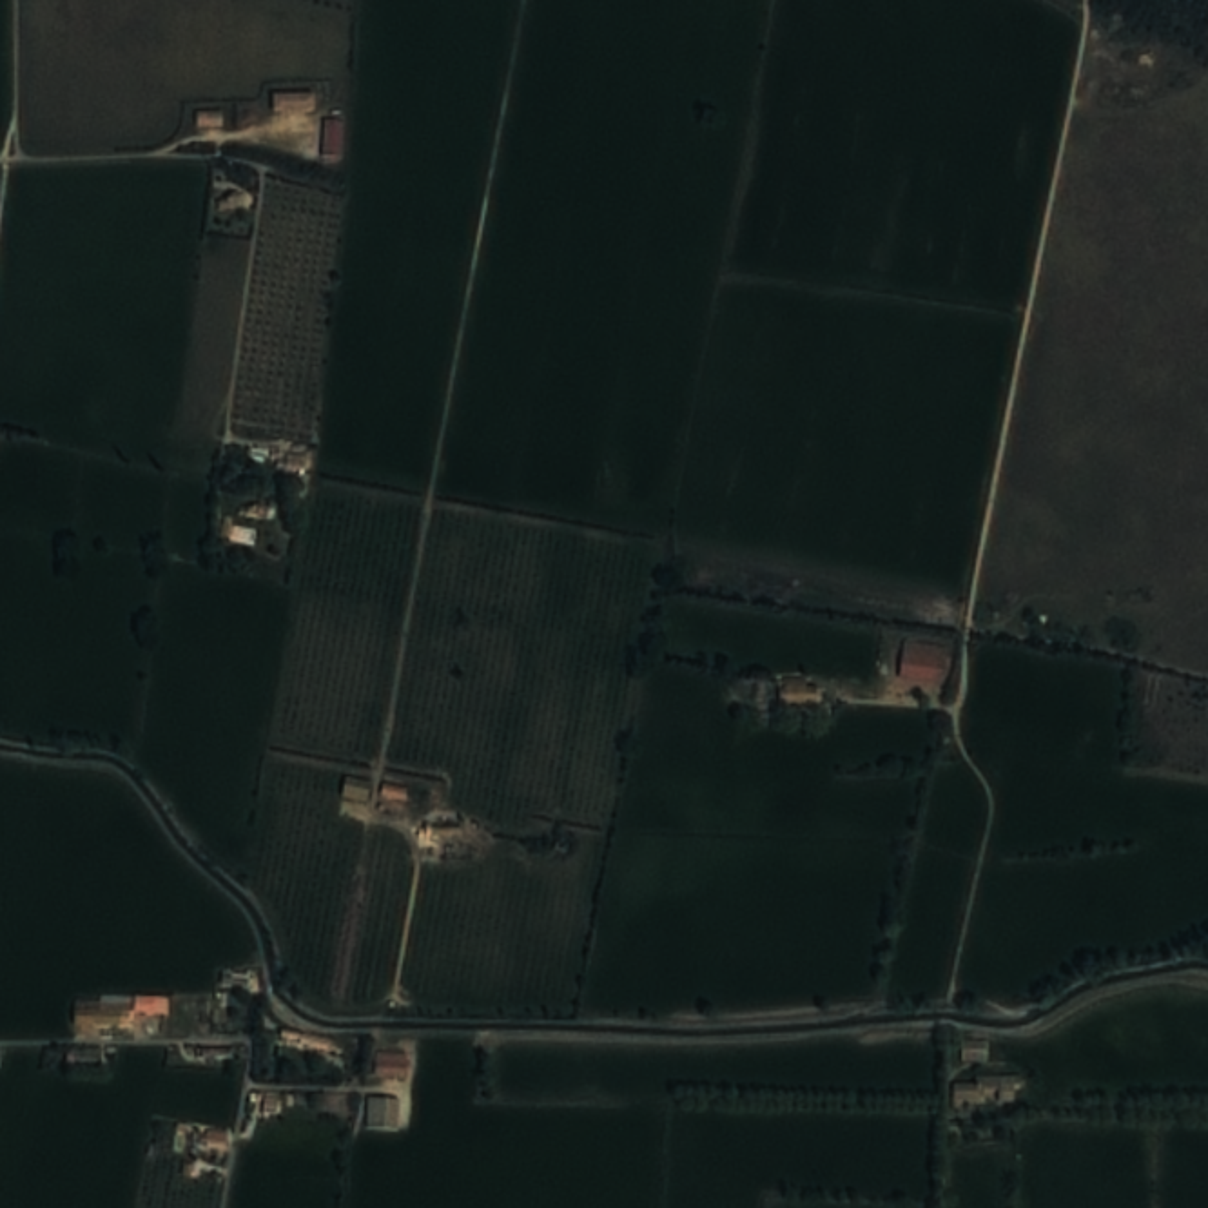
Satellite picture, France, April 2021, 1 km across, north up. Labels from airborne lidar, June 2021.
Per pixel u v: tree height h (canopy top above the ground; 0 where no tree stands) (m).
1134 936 0
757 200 0
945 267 0
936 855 0
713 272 0
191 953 0
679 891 0
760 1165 0
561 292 0
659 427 0
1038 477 0
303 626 0
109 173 0
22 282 0
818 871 0
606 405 0
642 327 0
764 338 0
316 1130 0
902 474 0
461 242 0
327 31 0
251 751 0
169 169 0
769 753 0
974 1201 0
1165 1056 0
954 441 0
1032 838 0
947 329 0
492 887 0
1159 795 0
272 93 0
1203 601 0
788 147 0
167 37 0
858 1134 0
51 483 0
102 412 0
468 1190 0
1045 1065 0
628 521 0
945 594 0
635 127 0
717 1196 0
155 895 0
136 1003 0
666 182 0
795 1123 0
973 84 0
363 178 0
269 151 0
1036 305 0
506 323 0
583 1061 0
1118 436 0
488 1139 0
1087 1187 0
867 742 0
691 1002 0
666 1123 0
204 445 0
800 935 0
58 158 0
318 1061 16
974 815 0
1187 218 0
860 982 0
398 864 0
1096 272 0
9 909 0
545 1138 0
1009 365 0
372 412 0
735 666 12
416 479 0
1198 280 0
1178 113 0
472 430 0
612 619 0
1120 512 0
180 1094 0
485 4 0
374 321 0
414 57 0
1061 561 0
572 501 0
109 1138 0
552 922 0
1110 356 0
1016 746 0
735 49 0
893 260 0
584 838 0
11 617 0
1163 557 0
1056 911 0
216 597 0
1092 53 0
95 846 0
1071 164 0
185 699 0
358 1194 0
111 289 0
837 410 0
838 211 0
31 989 0
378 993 0
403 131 0
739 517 0
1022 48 0
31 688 0
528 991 0
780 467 0
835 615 12
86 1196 0
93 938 0
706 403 0
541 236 0
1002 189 0
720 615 0
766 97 0
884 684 0
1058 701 0
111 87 0
